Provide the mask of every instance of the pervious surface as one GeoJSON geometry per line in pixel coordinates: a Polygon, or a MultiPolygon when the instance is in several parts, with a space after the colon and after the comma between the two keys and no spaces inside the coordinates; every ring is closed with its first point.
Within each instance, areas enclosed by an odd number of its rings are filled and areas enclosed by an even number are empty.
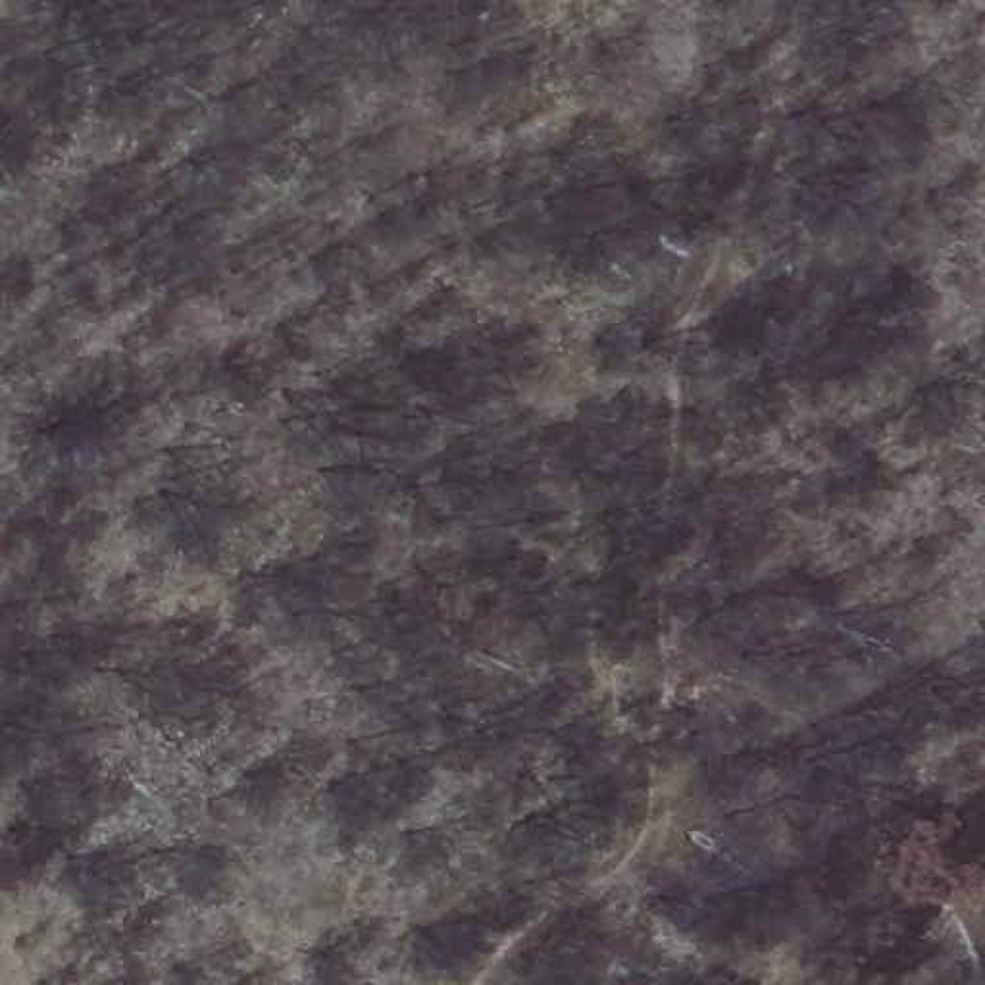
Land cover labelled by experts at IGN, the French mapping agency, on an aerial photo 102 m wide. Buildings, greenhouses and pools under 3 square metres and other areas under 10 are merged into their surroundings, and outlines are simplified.
{"type": "Polygon", "coordinates": [[[469,985],[516,985],[508,954],[519,943],[512,931],[504,931],[489,954],[481,954],[469,985]]]}

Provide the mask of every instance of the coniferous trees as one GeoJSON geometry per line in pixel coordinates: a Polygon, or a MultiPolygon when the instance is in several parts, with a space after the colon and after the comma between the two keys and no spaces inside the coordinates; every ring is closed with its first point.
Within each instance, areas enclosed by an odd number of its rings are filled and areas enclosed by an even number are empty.
{"type": "Polygon", "coordinates": [[[0,985],[469,985],[481,954],[489,954],[504,931],[512,931],[519,943],[508,954],[516,985],[985,985],[985,0],[0,0],[0,985]]]}

